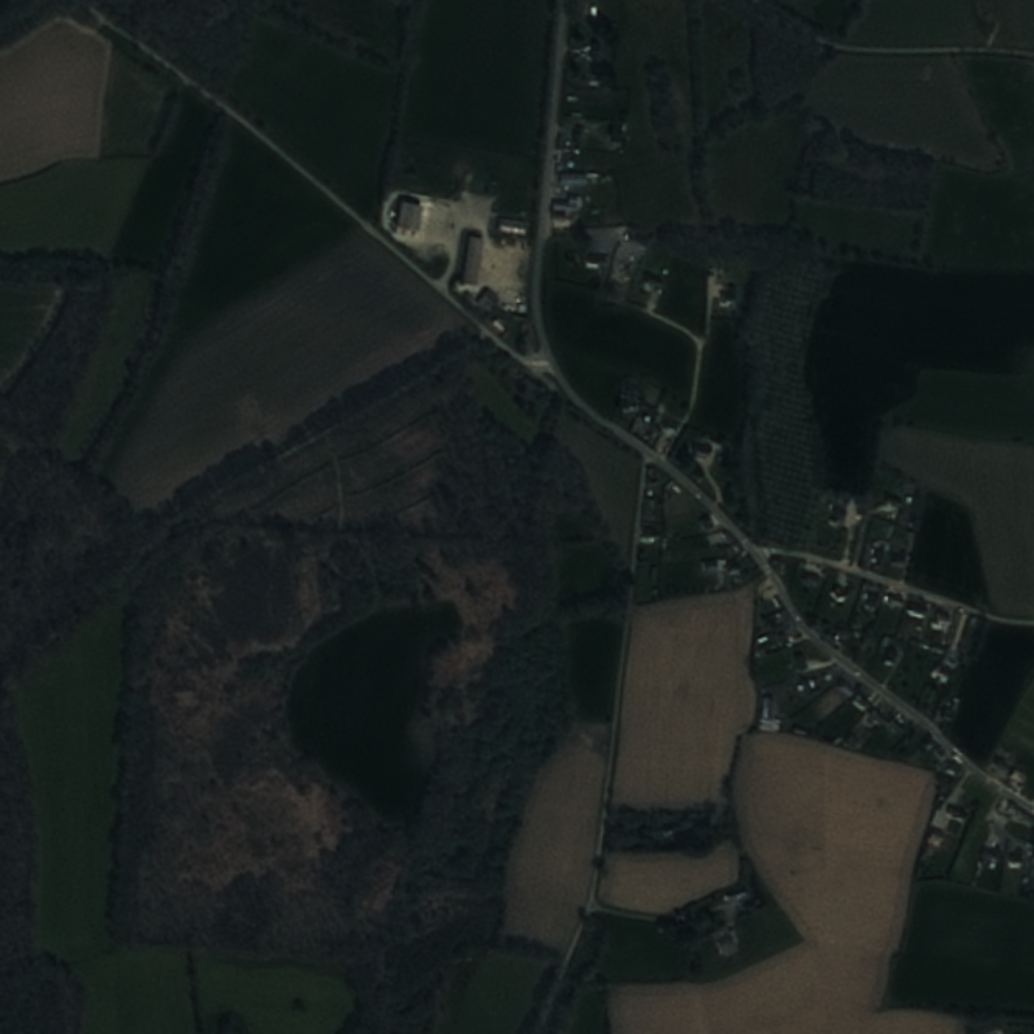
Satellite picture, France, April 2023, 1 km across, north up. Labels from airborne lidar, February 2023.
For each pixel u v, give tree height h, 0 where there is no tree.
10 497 13
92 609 18
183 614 0
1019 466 0
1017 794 0
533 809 0
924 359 0
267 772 0
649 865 0
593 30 17
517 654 10
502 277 0
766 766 0
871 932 0
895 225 0
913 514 11
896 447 0
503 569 12
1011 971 0
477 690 6
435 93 0
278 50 0
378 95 0
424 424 0
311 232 0
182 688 0
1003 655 0
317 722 0
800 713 0
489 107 0
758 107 15
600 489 0
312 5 0
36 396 17
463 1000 0
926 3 0
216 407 0
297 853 0
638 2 0
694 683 0
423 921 12
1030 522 0
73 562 19
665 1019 0
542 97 11
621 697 0
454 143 0
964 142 0
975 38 0
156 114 0
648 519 0
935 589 0
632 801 0
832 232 0
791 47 18
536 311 0
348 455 0
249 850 0
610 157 0
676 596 12
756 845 0
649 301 0
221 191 0
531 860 0
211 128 7
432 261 0
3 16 22
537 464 24
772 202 0
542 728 12
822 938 0
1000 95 0
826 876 0
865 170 22
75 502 17
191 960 12
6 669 22
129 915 15
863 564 6
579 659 0
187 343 0
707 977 0
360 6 0
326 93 0
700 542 0
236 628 0
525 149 0
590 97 0
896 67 0
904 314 0
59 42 0
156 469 0
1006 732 0
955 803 0
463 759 14
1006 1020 7
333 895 12
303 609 0
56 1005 18
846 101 0
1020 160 0
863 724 0
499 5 0
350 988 10
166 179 0
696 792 0
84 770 0
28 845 15
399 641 0
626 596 17
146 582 17
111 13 15
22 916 19
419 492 0
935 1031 0
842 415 0
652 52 0
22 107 0
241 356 0
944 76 0
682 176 0
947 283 0
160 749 15
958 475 0
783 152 0
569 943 0
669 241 19
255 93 0
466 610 0
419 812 15
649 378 0
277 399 0
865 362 0
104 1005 0
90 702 0
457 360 25
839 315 0
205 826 8
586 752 0
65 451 0
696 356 0
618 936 0
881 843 0
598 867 12
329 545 7
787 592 0
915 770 0
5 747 21
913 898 0
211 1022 0
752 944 0
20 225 0
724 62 0
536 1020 13
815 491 13
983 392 0
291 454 18
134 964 0
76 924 0
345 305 0
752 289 13
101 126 0
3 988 19
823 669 0
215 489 23
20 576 18
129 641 20
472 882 18
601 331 0
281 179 0
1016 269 0
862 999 0
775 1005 0
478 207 0
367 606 12
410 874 7
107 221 0
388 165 9
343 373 0
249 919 17
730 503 17
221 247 0
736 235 20
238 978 0
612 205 0
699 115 9
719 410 0
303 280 0
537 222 0
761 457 10
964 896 0
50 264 12
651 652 0
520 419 12
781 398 17
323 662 0
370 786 0
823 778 0
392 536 23
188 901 7
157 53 12
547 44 11
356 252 0
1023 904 12
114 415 11
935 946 0
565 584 0
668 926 9
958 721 0
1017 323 0
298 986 0
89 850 0
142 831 13
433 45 0
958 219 0
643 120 0
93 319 19
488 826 5
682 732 0
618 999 0
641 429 0
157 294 11
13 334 0
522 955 13
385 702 0
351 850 13
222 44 21
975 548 0
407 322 0
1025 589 0
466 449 20
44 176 0
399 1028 9
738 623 0
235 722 0
